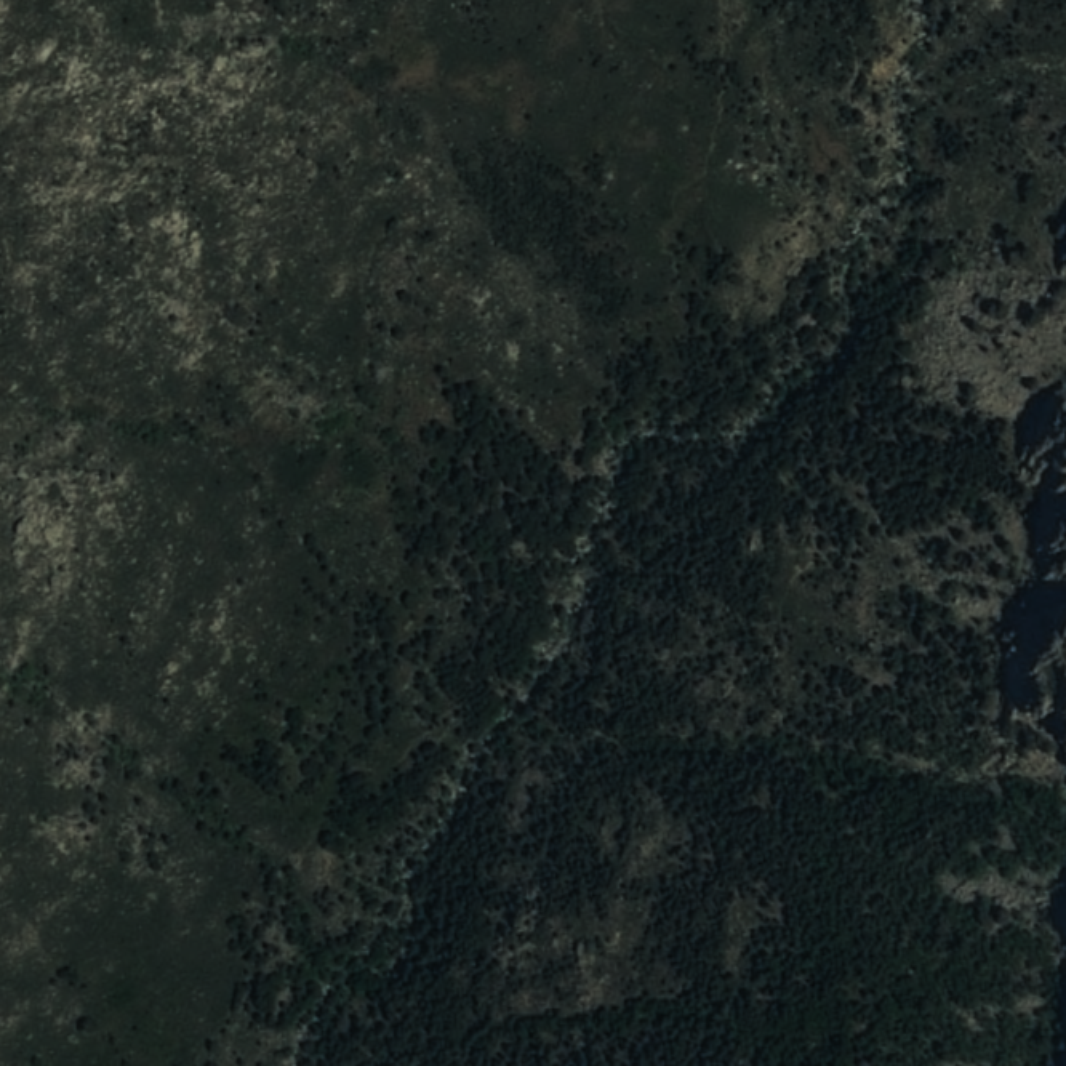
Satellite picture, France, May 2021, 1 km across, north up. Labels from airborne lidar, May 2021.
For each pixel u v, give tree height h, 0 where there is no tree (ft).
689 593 43
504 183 25
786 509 31
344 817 67
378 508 0
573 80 0
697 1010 38
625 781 46
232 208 0
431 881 61
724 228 0
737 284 32
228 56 0
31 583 0
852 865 54
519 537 65
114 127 0
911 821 25
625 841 47
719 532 56
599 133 0
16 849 0
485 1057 54
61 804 0
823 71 29
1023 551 0
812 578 27
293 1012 56
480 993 26
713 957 54
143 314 0
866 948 49
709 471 41
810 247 0
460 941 60
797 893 39
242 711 0
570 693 40
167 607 0
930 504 58
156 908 0
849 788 58
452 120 0
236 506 0
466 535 32
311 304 0
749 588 35
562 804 44
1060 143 20
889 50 28
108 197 0
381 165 0
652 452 52
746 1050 59
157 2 0
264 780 59
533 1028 58
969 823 30
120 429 31
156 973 0
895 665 38
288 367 33
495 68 0
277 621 0
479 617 64
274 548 0
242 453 25
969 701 24
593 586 36
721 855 41
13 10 0
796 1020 52
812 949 45
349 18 0
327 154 0
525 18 0
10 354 0
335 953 58
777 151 32
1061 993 49
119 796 0
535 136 0
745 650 35
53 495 19
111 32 0
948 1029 36
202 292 0
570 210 31
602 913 30
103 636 0
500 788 48
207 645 0
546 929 24
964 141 38
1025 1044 38
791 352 54
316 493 0
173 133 0
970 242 29
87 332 0
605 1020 67
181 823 0
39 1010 0
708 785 35
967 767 41
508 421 37
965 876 37
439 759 92
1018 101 22
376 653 26
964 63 47
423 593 19
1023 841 39
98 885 0
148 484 0
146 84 0
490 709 76
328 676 29
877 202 41
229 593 0
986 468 53
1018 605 23
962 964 35
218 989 0
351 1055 64
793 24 29
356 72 19
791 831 43
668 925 43
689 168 0
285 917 42
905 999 52
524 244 20
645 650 23
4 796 0
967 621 0
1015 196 0
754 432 49
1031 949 29
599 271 29
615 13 0
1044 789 28
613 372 25
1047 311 51
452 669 56
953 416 57
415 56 0
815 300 55
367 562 0
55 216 0
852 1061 45
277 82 0
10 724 0
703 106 0
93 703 0
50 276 0
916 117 29
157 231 0
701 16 0
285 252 0
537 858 45
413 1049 53
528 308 0
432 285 0
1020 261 48
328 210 0
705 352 35
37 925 0
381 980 63
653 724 33
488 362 0
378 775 0
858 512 50
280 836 0
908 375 58
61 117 0
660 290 0
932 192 52
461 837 51
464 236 0
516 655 53
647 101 0
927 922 38
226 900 0
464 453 61
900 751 34
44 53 0
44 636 0
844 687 39
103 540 0
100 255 0
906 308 62
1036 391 70
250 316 34
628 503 51
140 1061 0
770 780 33
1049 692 22
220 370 0
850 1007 69
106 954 0
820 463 54
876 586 0
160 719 0
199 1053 0
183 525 0
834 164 28
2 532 0
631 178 0
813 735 36
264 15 25
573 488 56
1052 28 37
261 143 0
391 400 0
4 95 0
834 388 73
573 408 0
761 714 21
